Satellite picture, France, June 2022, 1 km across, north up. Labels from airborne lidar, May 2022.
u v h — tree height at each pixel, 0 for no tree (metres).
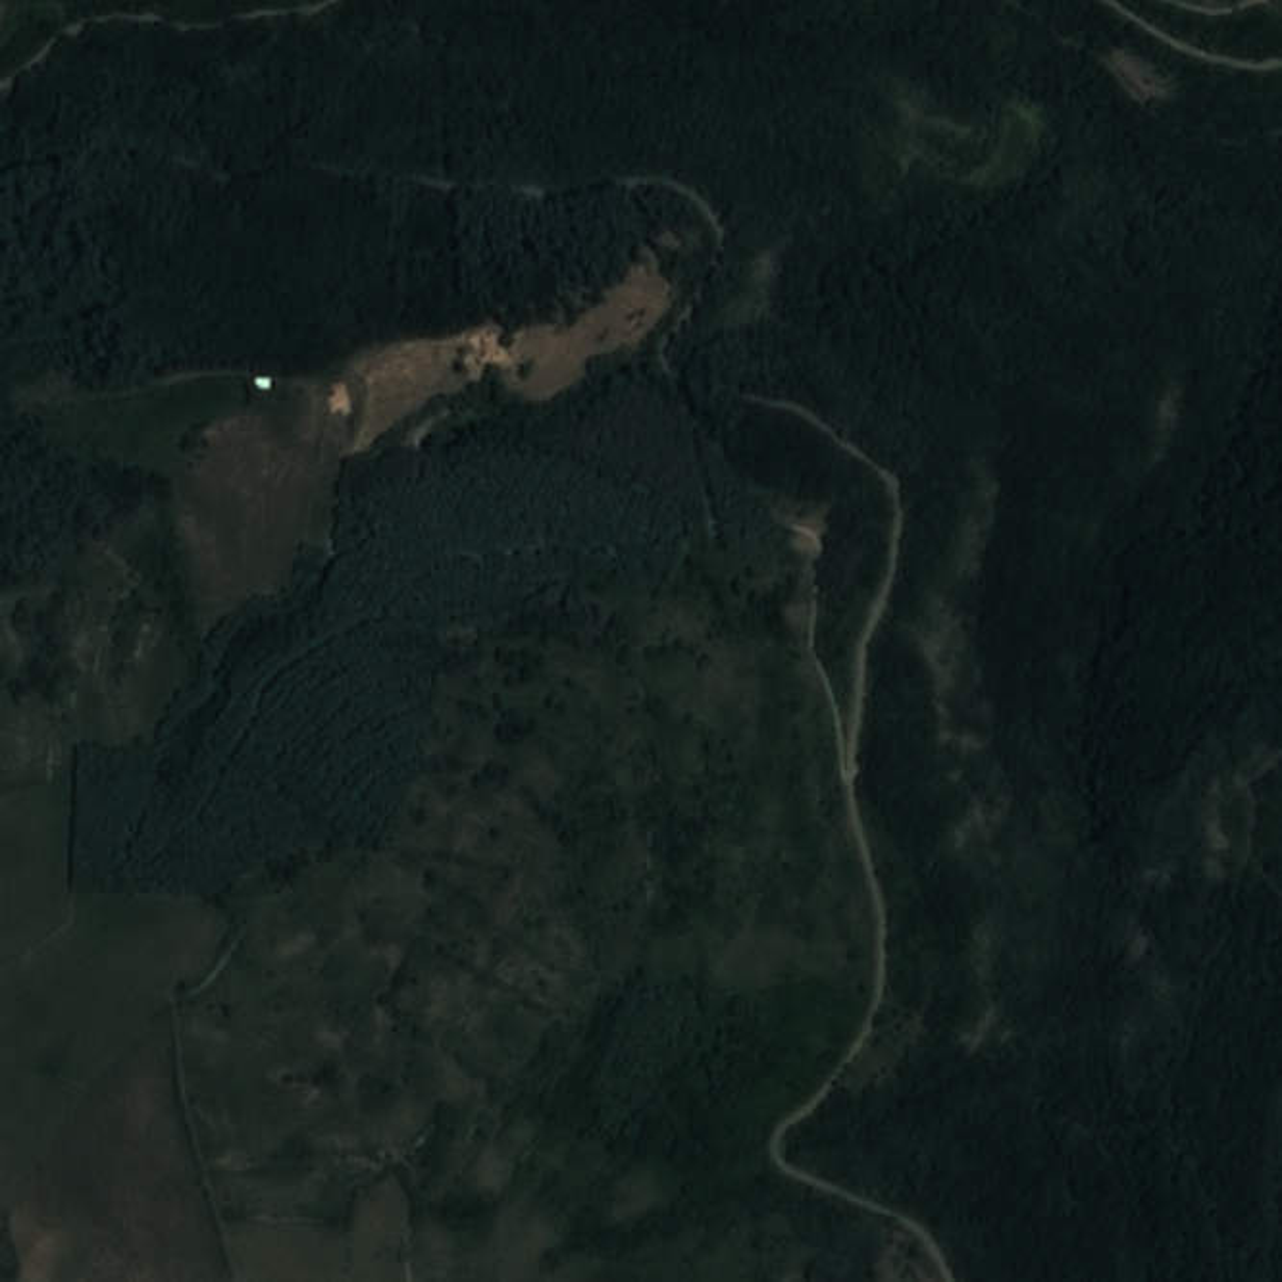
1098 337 14
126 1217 0
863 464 12
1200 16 7
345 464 12
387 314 14
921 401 9
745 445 15
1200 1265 13
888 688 12
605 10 22
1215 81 9
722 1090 13
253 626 11
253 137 18
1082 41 16
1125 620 15
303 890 0
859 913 0
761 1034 6
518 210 29
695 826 12
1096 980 6
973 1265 13
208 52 20
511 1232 0
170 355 15
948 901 11
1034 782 9
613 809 11
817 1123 10
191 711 12
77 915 0
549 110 12
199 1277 0
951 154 8
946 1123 7
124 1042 0
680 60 13
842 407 16
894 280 21
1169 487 16
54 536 13
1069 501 13
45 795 0
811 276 16
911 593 12
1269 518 21
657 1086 12
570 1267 0
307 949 0
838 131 16
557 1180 6
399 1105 0
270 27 19
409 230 14
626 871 0
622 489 17
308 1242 0
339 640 14
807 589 0
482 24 24
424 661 6
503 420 25
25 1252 0
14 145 10
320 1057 0
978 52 17
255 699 12
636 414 14
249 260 19
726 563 0
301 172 19
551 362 0
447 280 18
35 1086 0
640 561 9
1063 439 15
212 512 0
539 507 17
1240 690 16
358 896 0
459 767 7
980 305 18
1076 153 15
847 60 13
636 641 7
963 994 8
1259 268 15
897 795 10
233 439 0
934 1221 11
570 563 15
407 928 0
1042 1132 15
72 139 17
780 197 9
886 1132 7
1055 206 20
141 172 17
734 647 0
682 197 11
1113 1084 11
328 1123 0
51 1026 0
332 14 11
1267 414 28
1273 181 18
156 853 9
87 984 0
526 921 6
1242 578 21
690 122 12
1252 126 17
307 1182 0
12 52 12
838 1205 8
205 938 0
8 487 15
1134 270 19
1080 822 23
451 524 17
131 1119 0
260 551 0
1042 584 15
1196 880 7
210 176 18
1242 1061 8
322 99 23
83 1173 0
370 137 16
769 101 13
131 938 0
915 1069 12
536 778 0
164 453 0
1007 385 16
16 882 0
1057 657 18
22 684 11
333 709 11
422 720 14
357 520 11
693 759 0
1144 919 8
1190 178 14
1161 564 21
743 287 6
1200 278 18
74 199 32
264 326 16
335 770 16
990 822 10
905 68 7
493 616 11
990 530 13
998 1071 10
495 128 14
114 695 0
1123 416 14
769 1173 7
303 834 12
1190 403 12
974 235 19
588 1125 7
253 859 14
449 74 19
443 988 0
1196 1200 10
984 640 14
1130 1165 8
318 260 20
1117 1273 14
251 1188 0
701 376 19
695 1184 7
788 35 14
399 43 22
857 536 15
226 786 12
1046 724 7
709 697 0
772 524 14
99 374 8
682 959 0
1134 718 19
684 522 16
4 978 0
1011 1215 13
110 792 12
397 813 15
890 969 7
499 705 10
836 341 8
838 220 14
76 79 15
